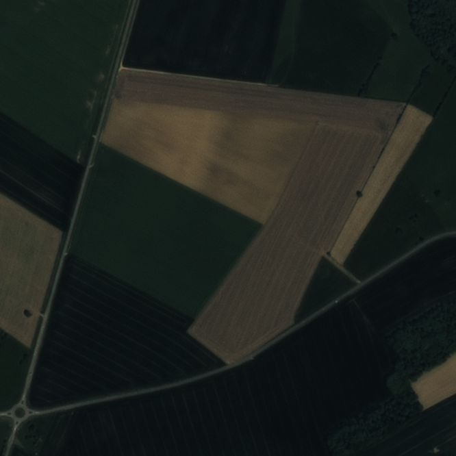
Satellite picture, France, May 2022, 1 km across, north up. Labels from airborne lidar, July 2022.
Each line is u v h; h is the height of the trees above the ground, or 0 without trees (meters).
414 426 0
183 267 0
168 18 0
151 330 0
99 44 0
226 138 0
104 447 0
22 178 0
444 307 23
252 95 0
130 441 0
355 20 0
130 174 0
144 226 0
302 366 0
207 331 0
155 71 0
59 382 0
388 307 0
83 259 0
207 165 0
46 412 0
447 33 11
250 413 0
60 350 0
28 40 0
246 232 0
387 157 0
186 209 0
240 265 0
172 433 0
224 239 0
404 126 0
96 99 0
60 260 0
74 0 0
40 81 0
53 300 0
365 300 0
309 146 0
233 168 0
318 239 0
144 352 0
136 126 0
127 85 0
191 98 0
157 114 0
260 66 0
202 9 0
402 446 0
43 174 0
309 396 0
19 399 0
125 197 0
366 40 0
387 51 0
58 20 0
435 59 14
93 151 0
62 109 0
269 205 0
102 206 0
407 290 0
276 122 0
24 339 0
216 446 0
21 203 0
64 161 0
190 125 0
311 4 0
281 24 0
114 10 0
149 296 0
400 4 0
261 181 0
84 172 0
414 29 26
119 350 0
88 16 0
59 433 0
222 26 0
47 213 0
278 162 0
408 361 13
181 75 0
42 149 0
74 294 0
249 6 0
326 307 0
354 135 0
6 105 0
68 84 0
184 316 0
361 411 0
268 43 0
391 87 0
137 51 0
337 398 0
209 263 0
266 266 0
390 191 0
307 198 0
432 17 25
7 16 0
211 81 0
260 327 0
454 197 0
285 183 0
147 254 0
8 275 0
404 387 21
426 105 0
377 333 0
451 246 0
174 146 0
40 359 0
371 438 24
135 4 0
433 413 0
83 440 0
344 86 0
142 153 0
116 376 0
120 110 0
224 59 0
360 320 0
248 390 0
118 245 0
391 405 11
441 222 0
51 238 0
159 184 0
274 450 0
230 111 0
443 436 0
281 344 0
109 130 0
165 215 0
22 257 0
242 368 0
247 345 0
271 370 0
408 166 0
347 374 0
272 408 0
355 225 0
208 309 0
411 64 0
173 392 0
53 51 0
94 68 0
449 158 0
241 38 0
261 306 0
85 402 0
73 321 0
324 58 0
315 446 0
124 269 0
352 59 0
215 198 0
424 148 0
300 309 0
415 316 0
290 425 0
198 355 0
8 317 0
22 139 0
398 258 0
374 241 0
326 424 0
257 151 0
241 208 0
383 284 0
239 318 0
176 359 0
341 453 21
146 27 0
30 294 0
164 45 0
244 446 0
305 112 0
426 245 0
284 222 0
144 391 0
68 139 0
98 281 0
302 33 0
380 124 0
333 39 0
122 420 0
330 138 0
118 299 0
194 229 0
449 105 0
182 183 0
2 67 0
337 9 0
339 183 0
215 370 0
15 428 0
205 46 0
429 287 0
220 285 0
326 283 0
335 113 0
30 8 0
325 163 0
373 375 0
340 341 0
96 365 0
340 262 0
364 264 0
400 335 21
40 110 0
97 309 0
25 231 0
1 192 0
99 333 0
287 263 0
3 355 0
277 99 0
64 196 0
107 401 0
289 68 0
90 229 0
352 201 0
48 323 0
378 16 0
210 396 0
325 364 0
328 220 0
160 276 0
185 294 0
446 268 0
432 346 25
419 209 0
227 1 0
